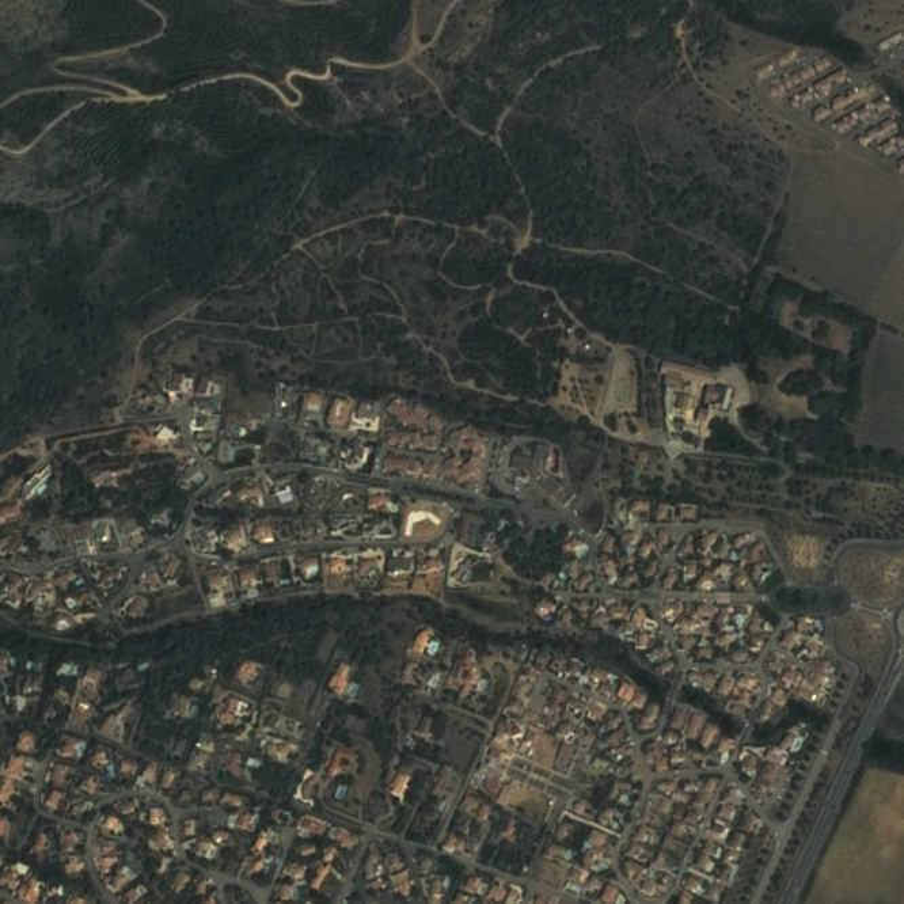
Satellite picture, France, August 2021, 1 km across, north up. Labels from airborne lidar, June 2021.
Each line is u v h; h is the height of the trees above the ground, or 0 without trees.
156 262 7
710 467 8
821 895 0
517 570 7
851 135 0
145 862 7
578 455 0
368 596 6
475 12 0
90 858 0
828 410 15
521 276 7
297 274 0
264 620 11
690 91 0
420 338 0
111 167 9
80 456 15
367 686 0
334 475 0
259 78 0
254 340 6
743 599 0
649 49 11
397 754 7
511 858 6
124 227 7
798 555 0
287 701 0
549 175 12
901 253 0
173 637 8
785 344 14
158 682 11
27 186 0
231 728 9
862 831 0
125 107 8
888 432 0
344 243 0
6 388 0
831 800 0
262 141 8
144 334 0
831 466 13
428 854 9
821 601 0
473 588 0
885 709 0
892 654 0
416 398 8
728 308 10
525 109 9
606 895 0
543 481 0
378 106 0
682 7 9
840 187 0
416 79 0
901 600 0
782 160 7
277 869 0
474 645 6
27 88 0
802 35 6
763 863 7
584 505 0
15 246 0
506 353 6
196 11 5
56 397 8
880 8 0
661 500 12
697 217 10
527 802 0
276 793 8
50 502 6
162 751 11
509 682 0
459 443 0
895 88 7
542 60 6
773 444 17
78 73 0
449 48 0
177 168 6
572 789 0
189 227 8
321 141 12
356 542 0
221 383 0
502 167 13
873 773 0
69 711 8
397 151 8
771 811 0
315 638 7
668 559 0
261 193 8
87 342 10
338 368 0
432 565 0
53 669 10
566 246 7
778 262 7
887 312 0
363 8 6
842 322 7
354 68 0
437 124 9
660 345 13
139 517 7
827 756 0
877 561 0
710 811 0
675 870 0
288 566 10
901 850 0
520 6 14
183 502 15
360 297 0
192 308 0
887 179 0
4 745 0
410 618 7
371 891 7
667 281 7
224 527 8
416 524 0
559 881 0
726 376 0
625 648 6
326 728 6
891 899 0
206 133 6
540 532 7
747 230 7
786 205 0
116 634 7
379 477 0
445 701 8
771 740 6
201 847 0
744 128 0
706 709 7
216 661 6
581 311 8
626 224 7
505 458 0
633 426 6
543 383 6
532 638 7
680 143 0
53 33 0
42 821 9
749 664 0
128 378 0
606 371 0
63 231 0
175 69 7
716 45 8
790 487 8
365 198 0
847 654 0
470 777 0
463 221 9
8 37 0
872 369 0
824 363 17
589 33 9
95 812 8
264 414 0
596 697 0
